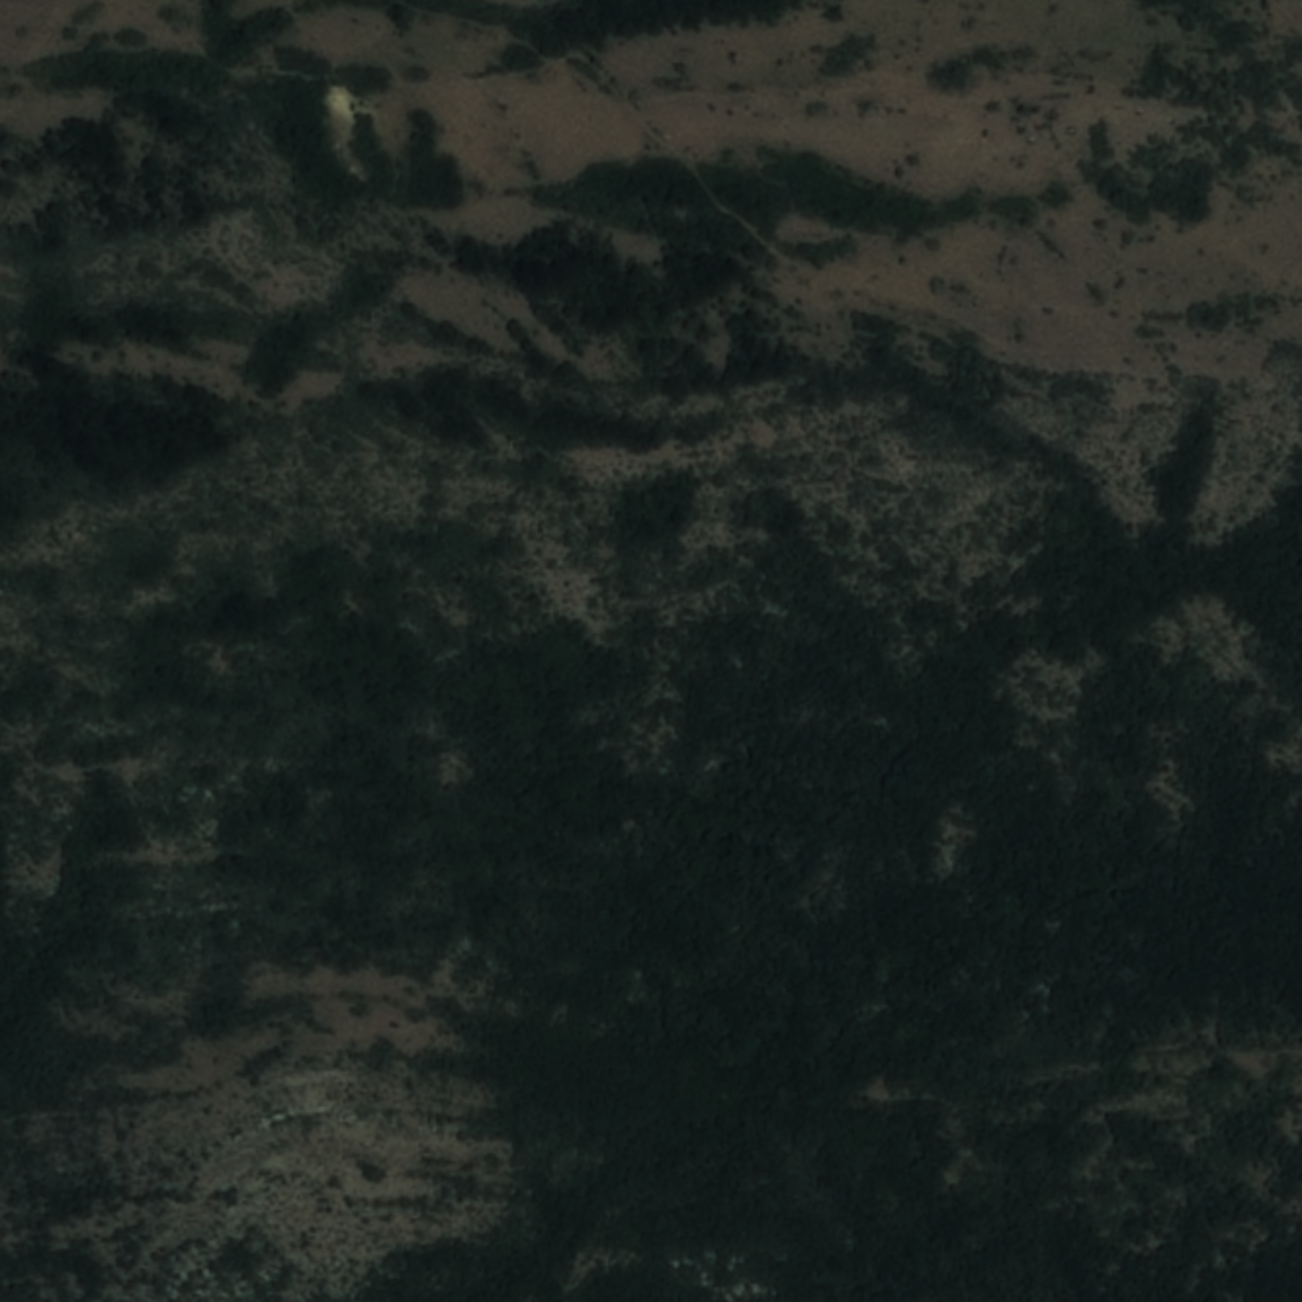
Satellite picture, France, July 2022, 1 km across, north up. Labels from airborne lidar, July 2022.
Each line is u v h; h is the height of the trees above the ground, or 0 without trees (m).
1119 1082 10
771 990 11
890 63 0
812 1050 10
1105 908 15
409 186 0
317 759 7
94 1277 6
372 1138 0
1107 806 8
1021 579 9
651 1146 9
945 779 9
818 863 8
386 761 7
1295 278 0
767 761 8
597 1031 7
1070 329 0
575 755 12
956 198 0
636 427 5
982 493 0
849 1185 8
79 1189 6
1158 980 7
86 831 8
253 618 15
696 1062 11
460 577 8
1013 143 0
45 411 10
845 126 0
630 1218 7
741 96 0
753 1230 10
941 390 8
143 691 5
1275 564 11
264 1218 0
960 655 14
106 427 11
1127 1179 10
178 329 6
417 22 0
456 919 6
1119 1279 6
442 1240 6
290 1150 0
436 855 7
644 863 7
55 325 7
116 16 0
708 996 12
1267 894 15
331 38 0
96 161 6
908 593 8
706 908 9
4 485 6
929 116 0
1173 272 0
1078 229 0
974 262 0
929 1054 12
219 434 8
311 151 7
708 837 16
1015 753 6
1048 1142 9
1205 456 6
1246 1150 8
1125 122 0
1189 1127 7
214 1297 0
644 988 7
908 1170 13
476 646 7
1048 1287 8
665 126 0
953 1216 14
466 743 6
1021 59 0
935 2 0
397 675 7
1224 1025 6
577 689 7
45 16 0
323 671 6
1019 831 13
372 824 7
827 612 11
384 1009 0
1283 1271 11
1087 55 0
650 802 7
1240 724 8
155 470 6
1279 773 7
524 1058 9
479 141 0
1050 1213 8
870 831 9
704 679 8
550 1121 6
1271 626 12
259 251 0
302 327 6
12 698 7
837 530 6
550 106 0
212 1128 0
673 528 7
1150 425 0
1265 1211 6
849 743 13
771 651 7
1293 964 17
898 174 7
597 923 9
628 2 6
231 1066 0
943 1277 7
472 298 0
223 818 7
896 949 10
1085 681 7
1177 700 8
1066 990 14
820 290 0
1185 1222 7
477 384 6
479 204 0
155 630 6
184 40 0
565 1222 9
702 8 6
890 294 0
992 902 13
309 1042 0
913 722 9
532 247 7
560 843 7
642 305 6
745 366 9
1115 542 7
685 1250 6
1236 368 0
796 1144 7
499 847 8
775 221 0
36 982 10
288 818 8
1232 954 15
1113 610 11
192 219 6
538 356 9
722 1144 11
